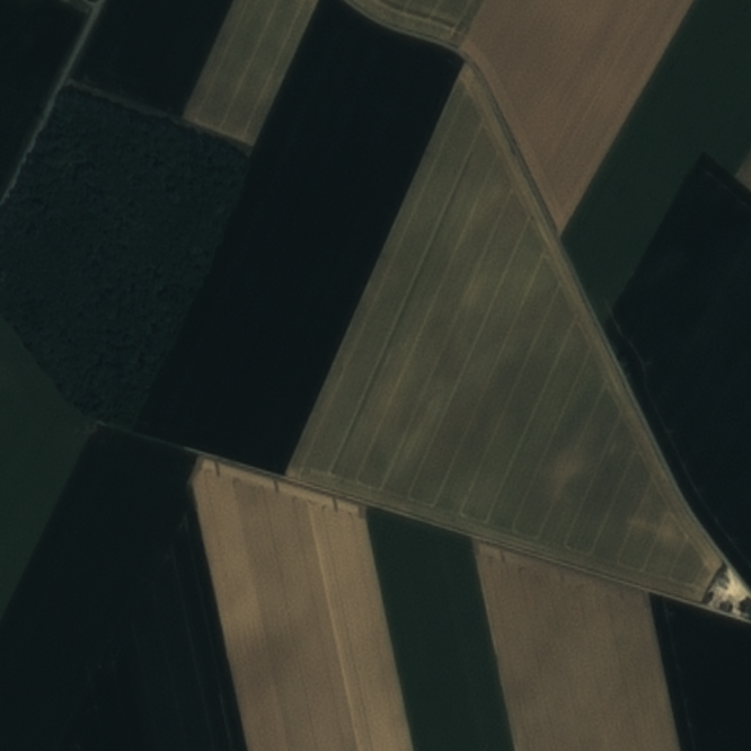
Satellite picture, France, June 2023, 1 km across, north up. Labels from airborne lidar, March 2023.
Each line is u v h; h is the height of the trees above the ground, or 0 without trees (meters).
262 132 0
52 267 23
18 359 0
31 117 0
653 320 0
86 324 23
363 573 0
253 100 0
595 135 0
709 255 0
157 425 0
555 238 0
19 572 0
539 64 0
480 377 0
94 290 22
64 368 19
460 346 0
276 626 0
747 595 0
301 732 0
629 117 0
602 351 0
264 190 0
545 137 0
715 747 0
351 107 0
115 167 22
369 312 0
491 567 0
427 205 0
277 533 0
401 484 0
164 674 0
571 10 0
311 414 0
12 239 19
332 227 0
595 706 0
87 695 0
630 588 0
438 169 0
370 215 0
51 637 0
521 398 0
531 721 0
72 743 0
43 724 0
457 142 0
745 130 0
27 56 0
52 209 20
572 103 0
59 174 20
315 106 0
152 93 0
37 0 0
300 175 0
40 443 0
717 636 0
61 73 0
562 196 0
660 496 0
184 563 0
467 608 0
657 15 0
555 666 0
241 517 0
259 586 0
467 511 0
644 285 0
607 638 0
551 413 0
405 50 0
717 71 0
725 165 0
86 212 21
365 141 0
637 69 0
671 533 0
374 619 0
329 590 0
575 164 0
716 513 0
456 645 0
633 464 0
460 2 0
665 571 0
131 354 24
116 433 0
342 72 0
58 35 0
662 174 0
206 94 0
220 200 23
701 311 0
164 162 23
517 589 0
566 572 0
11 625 0
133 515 0
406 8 0
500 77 0
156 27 0
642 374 0
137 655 0
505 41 0
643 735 0
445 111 0
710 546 0
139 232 22
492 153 0
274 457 0
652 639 0
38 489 0
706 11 0
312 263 0
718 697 0
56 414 0
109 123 21
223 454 0
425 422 0
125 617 0
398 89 0
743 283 0
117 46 0
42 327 21
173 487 0
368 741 0
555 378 0
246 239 0
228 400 0
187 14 0
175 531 0
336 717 0
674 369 0
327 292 0
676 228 0
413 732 0
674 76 0
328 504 0
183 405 0
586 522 0
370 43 0
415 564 0
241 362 0
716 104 0
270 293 0
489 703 0
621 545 0
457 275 0
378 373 0
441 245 0
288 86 0
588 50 0
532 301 0
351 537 0
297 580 0
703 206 0
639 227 0
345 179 0
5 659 0
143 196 24
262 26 0
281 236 0
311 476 0
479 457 0
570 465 0
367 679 0
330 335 0
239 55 0
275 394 0
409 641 0
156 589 0
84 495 0
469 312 0
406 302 0
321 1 0
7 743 0
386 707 0
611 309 0
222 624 0
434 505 0
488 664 0
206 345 0
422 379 0
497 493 0
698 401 0
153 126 23
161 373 0
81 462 0
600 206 0
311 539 0
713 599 0
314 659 0
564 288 0
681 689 0
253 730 0
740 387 0
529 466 0
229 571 0
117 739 0
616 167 0
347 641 0
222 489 0
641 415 0
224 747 0
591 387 0
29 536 0
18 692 0
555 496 0
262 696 0
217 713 0
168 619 0
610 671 0
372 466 0
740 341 0
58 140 17
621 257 0
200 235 22
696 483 0
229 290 0
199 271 18
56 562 0
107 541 0
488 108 0
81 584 0
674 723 0
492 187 0
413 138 0
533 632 0
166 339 18
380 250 0
